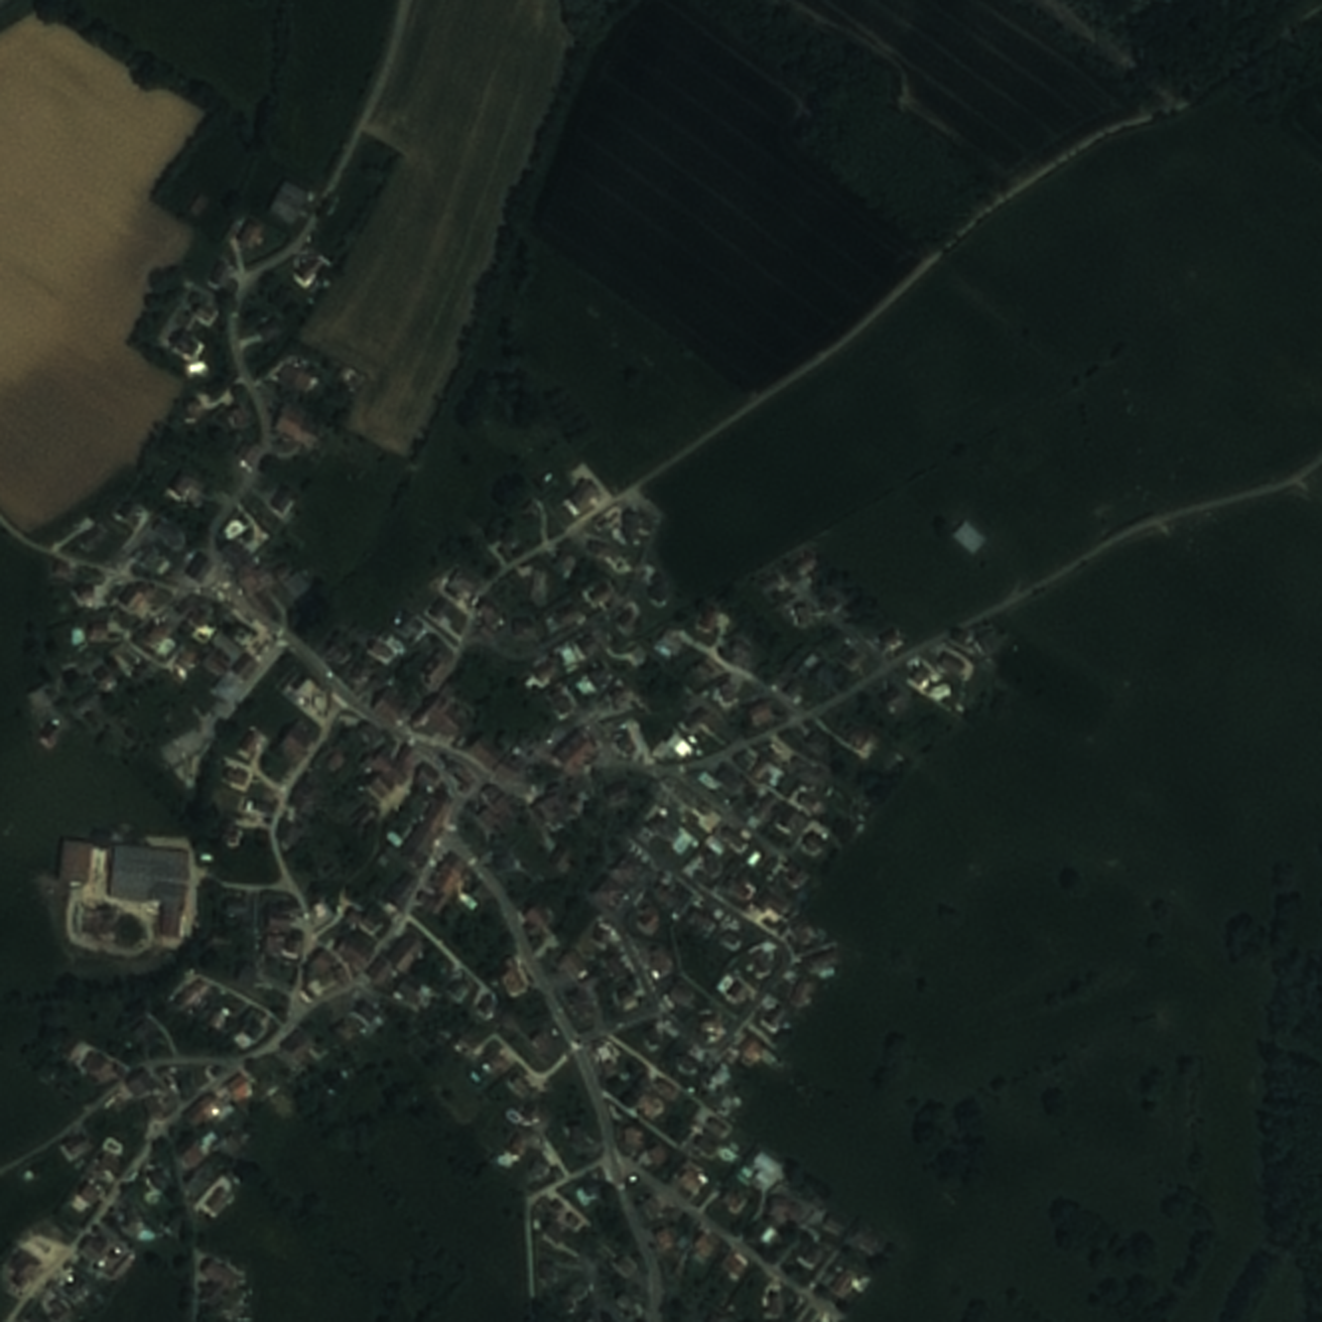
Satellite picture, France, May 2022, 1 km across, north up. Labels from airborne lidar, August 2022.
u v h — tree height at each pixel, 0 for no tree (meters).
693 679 6
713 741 0
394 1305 14
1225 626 0
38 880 0
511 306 0
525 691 6
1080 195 0
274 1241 0
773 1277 0
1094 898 0
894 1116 0
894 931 0
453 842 0
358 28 0
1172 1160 0
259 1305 0
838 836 7
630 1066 7
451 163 0
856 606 9
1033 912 0
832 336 0
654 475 0
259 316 6
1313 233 0
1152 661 0
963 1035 0
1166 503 0
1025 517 0
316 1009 0
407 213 0
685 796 0
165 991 19
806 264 0
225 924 7
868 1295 0
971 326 0
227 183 0
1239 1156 0
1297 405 0
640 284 0
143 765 0
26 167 0
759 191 0
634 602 0
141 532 0
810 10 0
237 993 0
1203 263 0
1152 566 0
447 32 0
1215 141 0
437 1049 5
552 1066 0
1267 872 0
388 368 0
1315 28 13
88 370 0
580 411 7
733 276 0
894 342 0
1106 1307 17
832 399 0
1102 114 0
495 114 0
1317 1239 23
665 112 0
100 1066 0
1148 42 30
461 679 6
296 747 0
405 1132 0
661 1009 0
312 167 0
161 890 0
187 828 7
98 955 0
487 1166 6
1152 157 0
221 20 0
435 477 0
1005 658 0
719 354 0
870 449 0
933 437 0
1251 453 0
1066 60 0
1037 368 0
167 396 0
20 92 0
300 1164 0
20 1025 0
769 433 0
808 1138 0
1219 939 0
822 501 0
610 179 0
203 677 0
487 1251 0
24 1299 0
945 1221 0
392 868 0
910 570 0
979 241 0
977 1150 20
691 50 0
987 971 0
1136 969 0
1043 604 0
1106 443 0
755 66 0
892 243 0
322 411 9
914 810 0
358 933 8
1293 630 0
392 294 0
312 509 0
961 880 0
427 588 0
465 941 9
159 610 0
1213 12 30
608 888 0
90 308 0
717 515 0
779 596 7
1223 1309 0
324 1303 0
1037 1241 0
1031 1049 0
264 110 13
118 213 0
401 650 0
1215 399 0
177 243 0
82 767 0
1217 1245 18
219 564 0
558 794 0
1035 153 0
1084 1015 0
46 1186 0
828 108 18
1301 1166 27
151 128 0
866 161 17
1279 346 0
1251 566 0
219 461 0
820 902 0
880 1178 0
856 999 0
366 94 6
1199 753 0
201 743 0
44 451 0
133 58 8
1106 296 0
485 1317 0
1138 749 0
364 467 0
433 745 0
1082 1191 0
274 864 0
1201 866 0
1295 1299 0
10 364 0
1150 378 0
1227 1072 0
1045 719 0
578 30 15
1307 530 0
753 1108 0
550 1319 14
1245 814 0
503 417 14
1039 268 0
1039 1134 0
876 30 0
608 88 0
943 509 0
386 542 0
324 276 10
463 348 12
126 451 0
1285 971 20
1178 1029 0
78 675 13
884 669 0
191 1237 12
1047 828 0
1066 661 0
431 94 0
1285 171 0
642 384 7
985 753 0
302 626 15
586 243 0
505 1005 12
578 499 0
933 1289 0
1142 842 0
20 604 0
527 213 15
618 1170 0
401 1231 0
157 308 8
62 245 0
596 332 0
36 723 0
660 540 0
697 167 0
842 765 14
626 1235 9
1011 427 0
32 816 0
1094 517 0
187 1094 12
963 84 0
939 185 17
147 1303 0
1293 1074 21
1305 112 0
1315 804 0
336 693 0
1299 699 0
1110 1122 0
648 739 0
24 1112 0
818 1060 0
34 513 0
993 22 0
